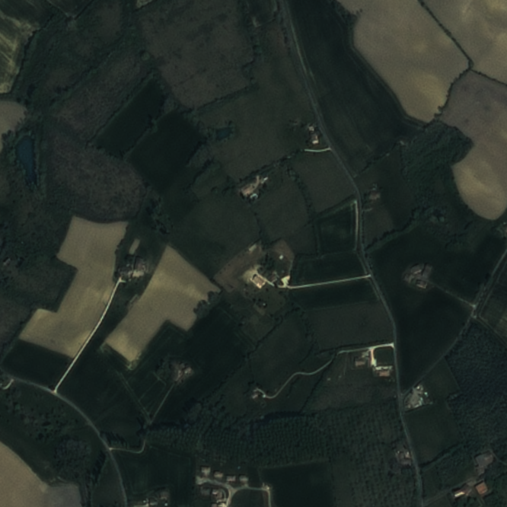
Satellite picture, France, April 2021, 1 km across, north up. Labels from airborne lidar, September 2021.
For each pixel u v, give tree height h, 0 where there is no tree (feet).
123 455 0
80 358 0
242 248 0
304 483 0
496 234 18
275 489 0
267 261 30
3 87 0
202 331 0
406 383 0
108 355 0
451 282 0
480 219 0
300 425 94
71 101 24
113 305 0
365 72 0
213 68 0
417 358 0
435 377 0
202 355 0
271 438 103
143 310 0
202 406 48
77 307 0
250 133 0
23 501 0
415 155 18
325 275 0
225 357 0
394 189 0
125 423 0
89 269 0
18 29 0
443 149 33
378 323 0
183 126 0
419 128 0
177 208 0
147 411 0
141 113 0
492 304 0
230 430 46
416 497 23
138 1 0
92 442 0
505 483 30
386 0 0
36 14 0
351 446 37
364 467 30
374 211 0
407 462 0
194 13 0
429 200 22
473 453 31
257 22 0
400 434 40
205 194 0
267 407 0
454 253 0
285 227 0
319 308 0
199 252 0
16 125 0
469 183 0
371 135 0
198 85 0
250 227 0
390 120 0
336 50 0
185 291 0
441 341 0
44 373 0
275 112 0
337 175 0
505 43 0
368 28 0
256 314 0
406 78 0
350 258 0
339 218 0
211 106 24
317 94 0
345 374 0
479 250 0
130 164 23
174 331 0
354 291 0
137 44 27
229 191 28
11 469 0
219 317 0
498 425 26
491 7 0
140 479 0
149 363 0
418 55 0
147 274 0
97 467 0
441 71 0
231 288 0
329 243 0
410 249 0
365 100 0
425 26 0
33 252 20
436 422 0
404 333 0
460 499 30
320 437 92
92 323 0
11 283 25
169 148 0
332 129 0
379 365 0
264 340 21
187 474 0
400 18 0
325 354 42
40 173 26
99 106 19
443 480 27
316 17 0
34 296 20
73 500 0
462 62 0
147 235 0
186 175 0
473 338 35
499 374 36
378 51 0
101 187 0
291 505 0
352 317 0
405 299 0
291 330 0
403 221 0
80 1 0
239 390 0
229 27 0
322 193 0
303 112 0
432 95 0
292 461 30
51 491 0
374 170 0
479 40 0
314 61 0
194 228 0
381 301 0
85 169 0
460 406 34
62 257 0
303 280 0
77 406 0
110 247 0
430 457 0
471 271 0
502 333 0
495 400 37
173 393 0
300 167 0
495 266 0
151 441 88
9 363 0
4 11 0
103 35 0
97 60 23
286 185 0
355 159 0
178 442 97
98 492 0
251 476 0
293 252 0
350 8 0
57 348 0
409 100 0
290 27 0
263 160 0
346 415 38
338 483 0
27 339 0
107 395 0
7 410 51
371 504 19
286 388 0
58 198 19
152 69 22
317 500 0
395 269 0
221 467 0
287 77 0
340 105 0
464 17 0
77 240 0
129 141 0
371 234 0
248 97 0
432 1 0
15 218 0
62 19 29
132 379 0
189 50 0
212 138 25
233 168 0
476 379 35
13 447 0
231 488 0
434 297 0
